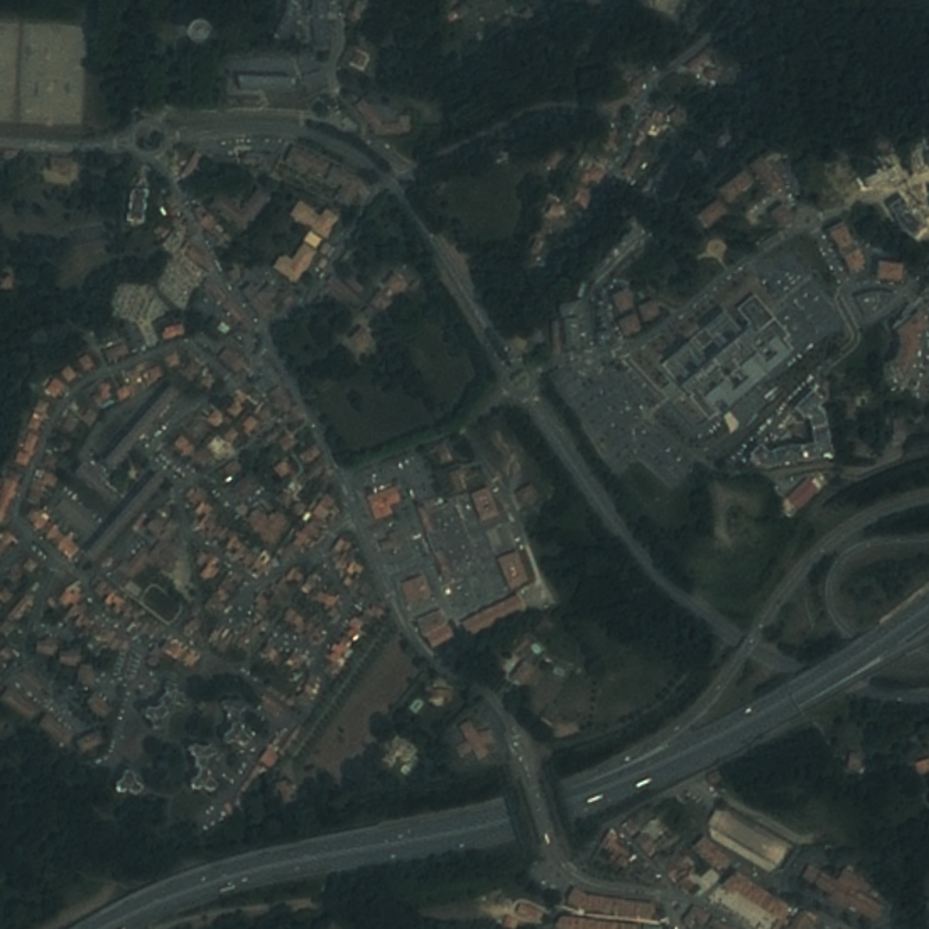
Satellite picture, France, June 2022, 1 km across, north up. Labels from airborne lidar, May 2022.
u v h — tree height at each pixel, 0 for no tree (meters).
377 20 22
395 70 24
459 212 0
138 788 0
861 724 10
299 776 0
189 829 16
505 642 27
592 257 27
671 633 17
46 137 0
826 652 9
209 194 28
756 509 0
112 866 17
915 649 10
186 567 0
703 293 0
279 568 0
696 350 0
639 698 0
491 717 0
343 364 26
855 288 0
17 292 7
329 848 0
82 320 16
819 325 0
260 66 0
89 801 16
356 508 0
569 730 0
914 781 20
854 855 12
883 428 11
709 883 0
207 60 33
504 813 0
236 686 24
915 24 22
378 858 0
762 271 0
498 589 0
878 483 14
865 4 24
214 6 19
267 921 15
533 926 8
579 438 6
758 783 20
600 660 16
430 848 0
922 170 0
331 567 0
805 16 21
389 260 27
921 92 32
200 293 8
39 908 16
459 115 29
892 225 15
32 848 16
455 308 18
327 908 24
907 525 10
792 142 23
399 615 0
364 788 19
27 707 0
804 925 0
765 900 0
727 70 0
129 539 0
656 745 0
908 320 0
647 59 13
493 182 0
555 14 28
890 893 17
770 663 0
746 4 17
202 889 0
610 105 0
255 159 0
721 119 24
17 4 14
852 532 0
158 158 0
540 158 6
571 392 0
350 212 12
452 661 14
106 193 35
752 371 0
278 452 8
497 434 0
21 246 6
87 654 7
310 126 9
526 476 0
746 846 0
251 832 23
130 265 20
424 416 0
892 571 8
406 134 8
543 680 0
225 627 0
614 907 0
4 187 10
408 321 10
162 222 13
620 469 0
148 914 0
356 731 0
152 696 0
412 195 16
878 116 20
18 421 9
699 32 8
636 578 28
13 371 13
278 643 0
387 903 21
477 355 21
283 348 17
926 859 18
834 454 20
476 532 0
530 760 0
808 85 21
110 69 18
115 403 5
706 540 0
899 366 0
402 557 0
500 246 9
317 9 0
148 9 31
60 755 17
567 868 0
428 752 20
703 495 14
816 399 0
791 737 7
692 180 25
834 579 0
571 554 17
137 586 0
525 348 0
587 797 0
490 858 9
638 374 0
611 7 26
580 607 9
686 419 0
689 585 13
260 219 20
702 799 0
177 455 6
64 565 0
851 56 17
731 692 0
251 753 0
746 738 0
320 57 10
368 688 0
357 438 0
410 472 0
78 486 0
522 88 22
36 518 0
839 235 0
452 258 0
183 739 0
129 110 12
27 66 0
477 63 26
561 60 21
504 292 23
